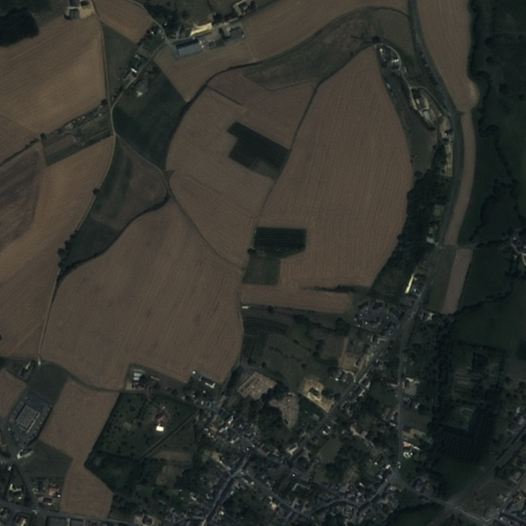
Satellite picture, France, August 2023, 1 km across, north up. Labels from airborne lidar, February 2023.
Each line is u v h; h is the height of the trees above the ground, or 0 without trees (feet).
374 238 0
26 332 0
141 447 0
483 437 88
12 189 0
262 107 0
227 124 0
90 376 0
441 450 66
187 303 0
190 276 0
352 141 0
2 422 0
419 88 0
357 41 0
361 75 0
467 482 0
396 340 0
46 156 0
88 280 0
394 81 0
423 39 0
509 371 0
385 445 29
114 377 0
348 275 0
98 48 0
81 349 0
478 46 19
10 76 0
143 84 0
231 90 0
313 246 0
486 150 0
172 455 0
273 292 0
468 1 0
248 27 0
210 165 0
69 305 0
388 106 0
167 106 0
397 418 0
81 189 0
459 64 0
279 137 0
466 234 0
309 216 0
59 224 0
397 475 0
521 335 0
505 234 23
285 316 0
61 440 0
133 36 0
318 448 19
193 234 0
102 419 0
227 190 0
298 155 0
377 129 0
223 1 0
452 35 0
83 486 0
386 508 27
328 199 0
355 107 0
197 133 0
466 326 0
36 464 0
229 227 0
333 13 0
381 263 0
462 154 0
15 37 47
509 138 0
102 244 0
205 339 0
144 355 0
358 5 0
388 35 0
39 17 0
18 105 0
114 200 0
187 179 0
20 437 0
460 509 0
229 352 0
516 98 0
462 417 0
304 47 0
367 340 0
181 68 0
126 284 0
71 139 0
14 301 0
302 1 0
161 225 0
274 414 26
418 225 27
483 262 0
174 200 0
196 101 0
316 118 0
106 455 25
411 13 0
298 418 0
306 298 0
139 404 0
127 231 0
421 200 41
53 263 0
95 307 0
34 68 0
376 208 0
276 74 0
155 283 0
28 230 0
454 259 0
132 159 0
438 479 48
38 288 0
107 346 0
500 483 0
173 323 0
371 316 0
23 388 0
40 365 0
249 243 0
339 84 0
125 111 0
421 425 0
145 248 0
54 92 0
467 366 0
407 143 0
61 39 0
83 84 0
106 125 0
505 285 0
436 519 0
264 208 0
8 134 0
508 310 0
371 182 0
